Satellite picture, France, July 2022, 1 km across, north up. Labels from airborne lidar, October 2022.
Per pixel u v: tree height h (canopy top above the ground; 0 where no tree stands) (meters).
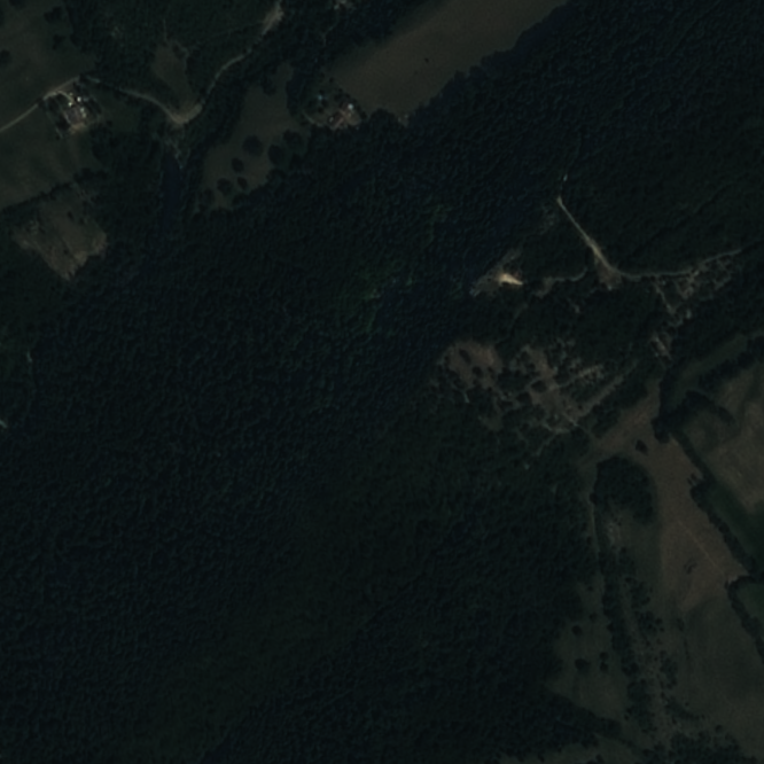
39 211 12
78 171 0
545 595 18
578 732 12
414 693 13
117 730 18
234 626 17
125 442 13
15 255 7
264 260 36
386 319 13
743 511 0
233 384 30
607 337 8
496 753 9
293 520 18
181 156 9
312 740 14
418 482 9
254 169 0
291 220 38
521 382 7
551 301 18
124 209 21
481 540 10
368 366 27
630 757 0
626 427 0
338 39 8
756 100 13
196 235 20
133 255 24
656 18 26
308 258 32
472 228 20
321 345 24
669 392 22
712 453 0
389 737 18
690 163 12
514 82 25
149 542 27
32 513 20
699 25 20
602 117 29
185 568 22
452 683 21
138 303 29
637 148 16
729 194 10
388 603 28
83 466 13
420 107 0
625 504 7
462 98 25
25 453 25
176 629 20
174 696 22
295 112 15
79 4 22
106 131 14
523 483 8
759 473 0
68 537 27
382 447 15
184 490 30
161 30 8
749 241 10
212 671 16
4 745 24
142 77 13
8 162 0
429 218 21
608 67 23
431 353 13
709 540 0
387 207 21
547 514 14
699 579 0
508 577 7
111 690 23
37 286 8
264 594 22
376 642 27
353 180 8
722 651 0
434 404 8
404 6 7
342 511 22
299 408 30
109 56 16
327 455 23
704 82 17
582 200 11
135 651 21
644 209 10
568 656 0
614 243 8
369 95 0
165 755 15
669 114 19
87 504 22
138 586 28
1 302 16
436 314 17
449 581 17
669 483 0
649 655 0
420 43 0
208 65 7
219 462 28
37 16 0
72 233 0
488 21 0
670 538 0
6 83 0
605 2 27
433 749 12
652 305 7
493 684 24
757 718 0
